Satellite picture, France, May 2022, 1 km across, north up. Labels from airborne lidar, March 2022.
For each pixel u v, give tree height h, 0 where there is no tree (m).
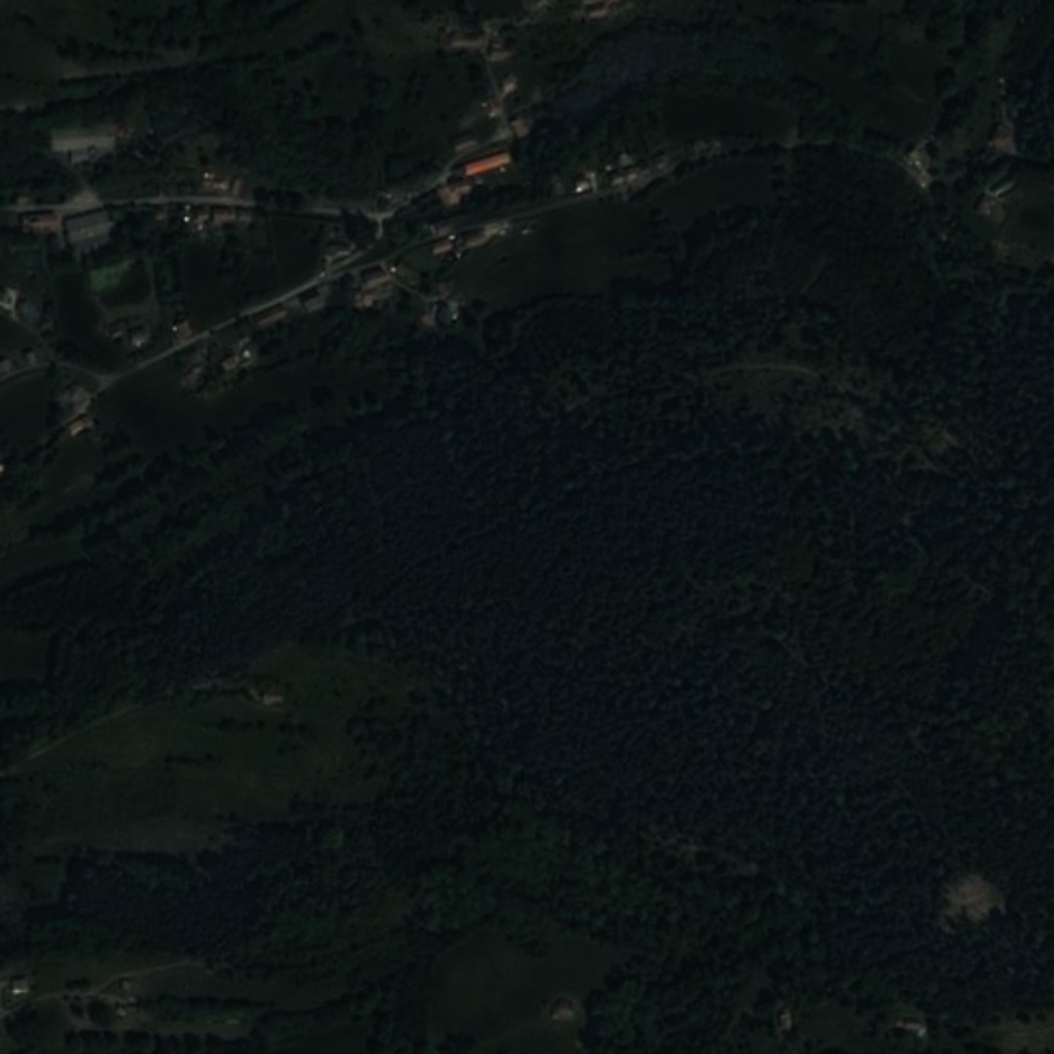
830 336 15
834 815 30
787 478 15
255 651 20
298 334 9
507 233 0
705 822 34
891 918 30
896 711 19
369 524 30
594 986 0
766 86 17
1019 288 15
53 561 0
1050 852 29
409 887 13
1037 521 32
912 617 7
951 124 22
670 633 7
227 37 17
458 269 0
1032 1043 0
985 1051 25
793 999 19
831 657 11
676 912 23
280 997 0
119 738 0
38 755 0
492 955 0
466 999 0
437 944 22
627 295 25
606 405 12
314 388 0
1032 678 26
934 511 36
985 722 29
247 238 0
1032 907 26
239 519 0
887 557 36
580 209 0
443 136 0
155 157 19
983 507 39
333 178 25
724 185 0
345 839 22
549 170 22
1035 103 19
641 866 18
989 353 37
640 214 0
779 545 10
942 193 15
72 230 0
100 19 0
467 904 28
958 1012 22
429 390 31
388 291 0
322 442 0
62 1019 0
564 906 11
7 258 0
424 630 22
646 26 12
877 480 32
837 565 15
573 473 34
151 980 0
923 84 0
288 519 20
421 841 20
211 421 0
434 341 6
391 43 0
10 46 0
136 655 20
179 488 24
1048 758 31
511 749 30
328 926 14
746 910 30
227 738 0
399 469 28
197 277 0
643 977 12
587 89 0
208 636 19
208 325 0
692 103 0
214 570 19
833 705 25
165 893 24
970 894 0
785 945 27
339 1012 21
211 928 28
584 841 27
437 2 0
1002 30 0
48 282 0
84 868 22
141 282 0
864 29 0
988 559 38
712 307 7
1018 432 32
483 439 37
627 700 33
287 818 0
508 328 21
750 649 23
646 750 30
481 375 34
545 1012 0
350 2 0
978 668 33
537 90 0
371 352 8
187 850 0
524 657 26
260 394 0
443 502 27
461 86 0
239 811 0
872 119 0
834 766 27
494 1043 0
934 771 11
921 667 10
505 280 0
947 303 7
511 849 28
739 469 13
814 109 13
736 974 30
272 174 15
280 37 0
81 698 14
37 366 0
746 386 0
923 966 29
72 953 18
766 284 11
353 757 0
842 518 28
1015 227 0
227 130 21
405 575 21
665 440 12
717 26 10
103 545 26
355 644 23
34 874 0
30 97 0
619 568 24
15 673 0
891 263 8
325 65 0
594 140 19
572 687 33
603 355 8
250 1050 12
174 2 19
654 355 10
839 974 30
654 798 35
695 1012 28
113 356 0
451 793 8
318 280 0
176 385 0
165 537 20
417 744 8
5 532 0
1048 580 30
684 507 22
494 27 0
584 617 14
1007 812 32
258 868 28
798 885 35
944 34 25
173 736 0
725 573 8
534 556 25
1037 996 29
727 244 25
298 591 23
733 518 20
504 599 16
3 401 0
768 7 0
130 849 0
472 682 8
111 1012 13
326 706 0
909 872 21
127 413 0
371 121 23
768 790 33
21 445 0
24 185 16
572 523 21
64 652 16
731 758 15
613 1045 30
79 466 0
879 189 11
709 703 30
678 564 19
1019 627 32
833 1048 0
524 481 35
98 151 0
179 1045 18
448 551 20
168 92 19
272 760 0
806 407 9
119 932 23
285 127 19
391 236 12
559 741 32
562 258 0
